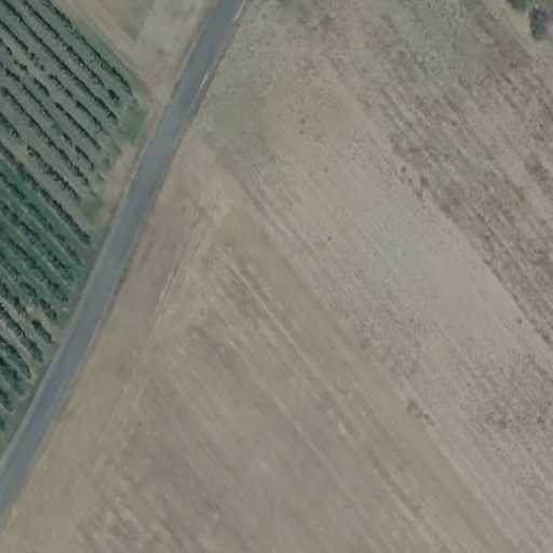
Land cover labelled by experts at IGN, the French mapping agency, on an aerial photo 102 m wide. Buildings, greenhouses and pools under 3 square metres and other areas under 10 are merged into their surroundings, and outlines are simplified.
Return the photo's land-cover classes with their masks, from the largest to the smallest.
<instances>
[{"label":"agricultural land","instance_id":"1","mask_svg":"<svg viewBox=\"0 0 553 553\"><path fill-rule=\"evenodd\" d=\"M76 24L82 22L91 26V30L102 35L114 52L125 54L127 60L123 63V67L132 69L149 86L153 97L160 99L164 106L168 104L175 82L181 78L184 67L197 45V39L203 32L218 0H52ZM527 0H244L231 19L227 41L218 48L216 58L203 76L199 93L188 108V117L192 121L186 123V132L181 134V140L164 171L162 186L156 199L151 201L145 220L138 229V235L132 244L127 277L121 283L119 294L114 296L112 311L106 318L102 315L89 341L84 361L80 363L71 380V387L65 395V404L54 415V421L39 445L26 482L22 484L19 497L13 501L11 510L0 521V553H553V45L544 39H534L529 17L521 13Z\"/></svg>","mask_w":553,"mask_h":553},{"label":"deciduous trees","instance_id":"2","mask_svg":"<svg viewBox=\"0 0 553 553\"><path fill-rule=\"evenodd\" d=\"M0 93L11 102V106L24 117V121H28V125L37 132V136L67 164V168L84 186L104 184L106 173L121 156V149L136 138L145 119V110L138 106L136 95L132 93L130 80L95 48V43L86 35H82V30L52 0H0ZM534 39H544L553 45V11L534 9L529 17ZM95 251L91 248V235L0 140V406L4 404L11 408V400L24 391L22 380L30 376L26 363L30 359H41V352L50 348L48 341H52V335L43 328L41 320H56L52 302L56 298L60 302H67V289L71 287L73 272L80 270L78 253ZM26 151L30 158H35L39 168L45 175H50L73 199V203L80 201L76 188H71L69 181L30 145Z\"/></svg>","mask_w":553,"mask_h":553},{"label":"herbaceous vegetation","instance_id":"3","mask_svg":"<svg viewBox=\"0 0 553 553\"><path fill-rule=\"evenodd\" d=\"M534 9L553 11V0H527L521 13L529 17ZM82 30V35H86L95 43V48L130 80L132 93L136 95L138 106L145 110V119L136 138L121 149V156L106 173L104 184L84 186L67 168V164L37 136V132L28 125V121H24V117L11 106V102L0 93V140L91 235V248L95 251L78 253L80 270L73 272L71 287L67 289V302H60L56 298L52 302L56 320H41L43 328L52 335V341H48L50 348L41 352V359H30L26 363L30 376L22 380L24 391L11 400V408L4 404L0 406V471L11 449L15 447L19 434L24 432L52 376L60 350L69 337V331L84 305V298L91 289V283L99 270V264L108 251V244L127 203L130 186L149 147V140L153 138L158 121L164 112V106L160 99L153 97L149 86L132 69L123 67V63L127 60L125 54L114 52L102 35L91 30V26L82 22L76 24ZM30 145L69 181L71 188H76L80 201L73 203V199L50 175H45L39 168L35 158H30L26 151Z\"/></svg>","mask_w":553,"mask_h":553},{"label":"impervious surface","instance_id":"4","mask_svg":"<svg viewBox=\"0 0 553 553\"><path fill-rule=\"evenodd\" d=\"M244 0H218L203 32L197 39V45L184 67L181 78L175 82L168 104L164 106V112L158 121L153 138L149 140V147L130 186L127 203L108 244V251L99 264V270L91 283V289L84 298V305L69 331V337L60 350L52 376L24 432L19 434L15 447L11 449L0 471V521L11 510L13 501L19 497L22 484L26 482L39 445L54 421V415L65 404V395L71 387V380L80 363L84 361L89 341L102 315L106 318L112 311L114 296L119 294L121 283L127 277L132 244L138 235V229L145 220L151 201L156 199L162 186L164 171L181 140V134L186 132V123L192 121L188 117V108L199 93L203 76L216 58L218 48L227 41L231 19Z\"/></svg>","mask_w":553,"mask_h":553}]
</instances>
